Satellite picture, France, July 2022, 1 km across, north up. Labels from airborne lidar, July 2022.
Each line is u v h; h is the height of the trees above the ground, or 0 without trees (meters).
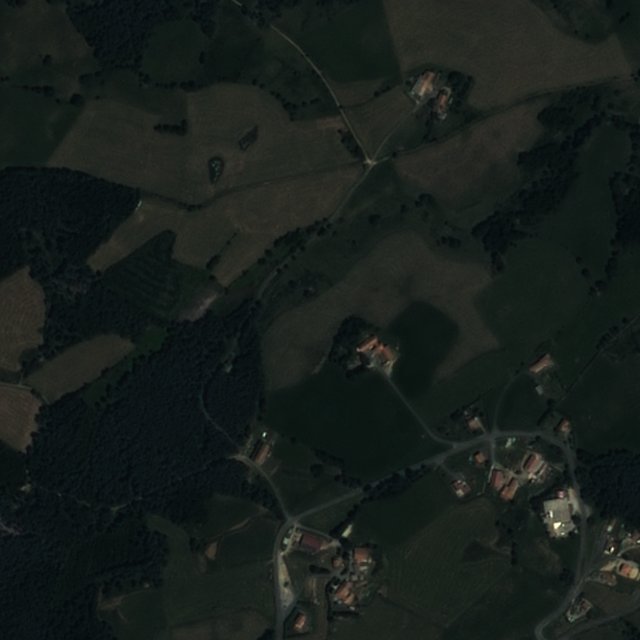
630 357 0
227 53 0
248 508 0
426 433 0
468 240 0
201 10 12
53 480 14
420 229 0
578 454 10
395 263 0
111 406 12
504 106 0
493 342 0
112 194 19
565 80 0
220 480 17
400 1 0
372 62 0
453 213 0
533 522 0
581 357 0
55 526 20
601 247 0
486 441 0
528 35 0
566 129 14
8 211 15
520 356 0
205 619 0
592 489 18
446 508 0
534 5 0
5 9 0
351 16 0
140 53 11
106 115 0
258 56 0
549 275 0
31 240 19
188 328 19
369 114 0
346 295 0
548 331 0
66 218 17
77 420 25
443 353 0
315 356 0
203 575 0
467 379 0
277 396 0
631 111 0
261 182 0
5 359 0
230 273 0
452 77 13
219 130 0
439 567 0
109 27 22
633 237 18
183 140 0
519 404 0
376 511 0
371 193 0
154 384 19
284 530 0
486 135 0
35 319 0
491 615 0
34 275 16
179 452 16
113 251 0
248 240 0
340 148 0
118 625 0
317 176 0
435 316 0
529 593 0
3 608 16
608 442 0
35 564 12
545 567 0
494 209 0
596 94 7
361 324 8
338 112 0
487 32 0
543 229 0
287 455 0
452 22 0
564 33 0
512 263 0
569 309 0
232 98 0
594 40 0
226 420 17
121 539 6
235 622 0
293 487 0
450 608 0
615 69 0
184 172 0
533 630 0
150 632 0
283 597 0
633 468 21
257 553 0
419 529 0
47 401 0
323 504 0
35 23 0
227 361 7
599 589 0
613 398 0
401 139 0
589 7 0
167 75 0
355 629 0
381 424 0
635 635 7
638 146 15
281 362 0
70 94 0
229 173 0
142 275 0
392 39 0
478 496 0
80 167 0
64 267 18
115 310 19
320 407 0
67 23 0
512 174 0
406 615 0
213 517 0
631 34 0
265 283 0
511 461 0
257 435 0
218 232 0
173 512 11
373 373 0
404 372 0
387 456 0
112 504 17
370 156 0
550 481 0
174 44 0
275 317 0
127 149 0
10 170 17
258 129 0
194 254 0
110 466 19
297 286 9
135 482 19
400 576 0
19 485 14
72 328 16
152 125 0
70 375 0
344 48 0
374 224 10
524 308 0
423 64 0
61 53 0
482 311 0
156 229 0
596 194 0
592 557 0
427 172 0
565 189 6
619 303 0
